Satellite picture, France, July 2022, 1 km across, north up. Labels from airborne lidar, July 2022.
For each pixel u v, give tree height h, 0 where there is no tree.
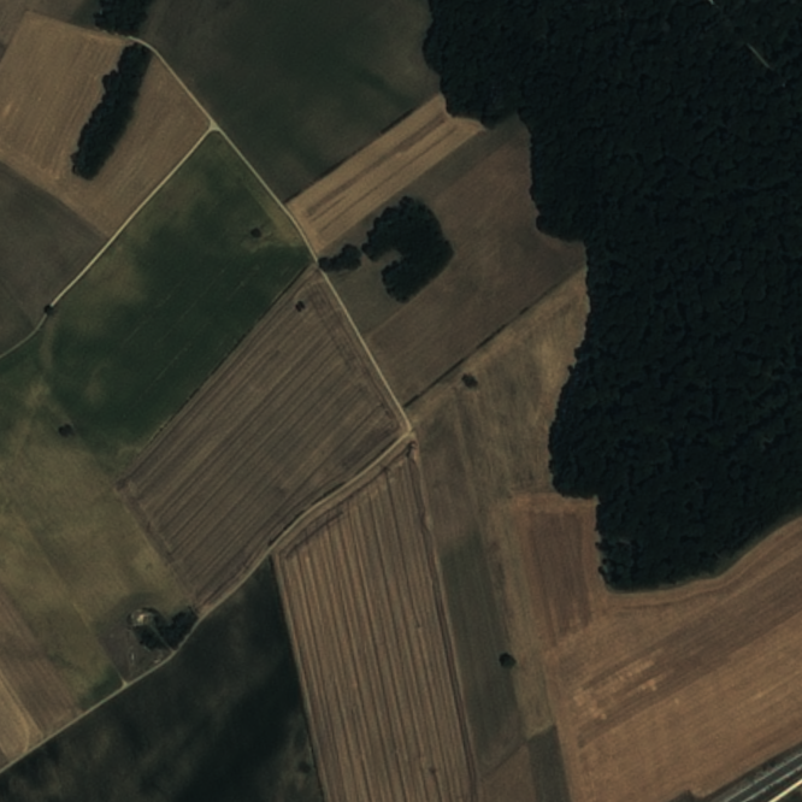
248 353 0
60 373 0
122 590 0
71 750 0
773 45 29
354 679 0
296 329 0
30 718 0
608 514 24
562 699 0
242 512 0
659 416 26
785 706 0
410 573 0
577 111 23
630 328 27
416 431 0
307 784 0
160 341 0
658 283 31
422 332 0
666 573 26
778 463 21
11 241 0
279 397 0
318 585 0
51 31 0
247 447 0
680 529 28
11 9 0
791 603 0
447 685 0
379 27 0
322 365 0
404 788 0
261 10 0
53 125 0
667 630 0
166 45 0
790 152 16
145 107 0
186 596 0
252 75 0
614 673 0
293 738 0
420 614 0
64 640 0
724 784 0
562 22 29
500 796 0
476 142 0
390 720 0
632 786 0
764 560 0
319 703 0
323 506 0
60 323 0
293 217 0
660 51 27
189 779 0
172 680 0
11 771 0
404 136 0
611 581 23
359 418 0
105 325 0
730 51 27
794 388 32
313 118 0
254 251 0
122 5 19
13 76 0
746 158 24
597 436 26
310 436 0
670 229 33
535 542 0
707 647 0
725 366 27
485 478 0
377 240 17
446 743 0
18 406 0
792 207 26
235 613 0
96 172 14
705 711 0
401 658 0
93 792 0
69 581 0
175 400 0
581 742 0
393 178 0
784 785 0
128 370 0
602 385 28
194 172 0
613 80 29
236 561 0
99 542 0
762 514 17
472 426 0
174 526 0
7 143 0
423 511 0
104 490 0
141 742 0
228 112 0
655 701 0
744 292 25
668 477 30
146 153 0
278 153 0
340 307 0
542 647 0
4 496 0
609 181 30
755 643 0
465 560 0
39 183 0
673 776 0
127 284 0
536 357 0
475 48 23
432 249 20
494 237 0
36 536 0
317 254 0
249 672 0
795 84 24
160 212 0
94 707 0
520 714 0
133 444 0
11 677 0
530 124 22
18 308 0
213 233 0
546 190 20
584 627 0
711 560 24
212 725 0
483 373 0
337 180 0
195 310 0
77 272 0
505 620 0
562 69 33
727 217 17
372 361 0
